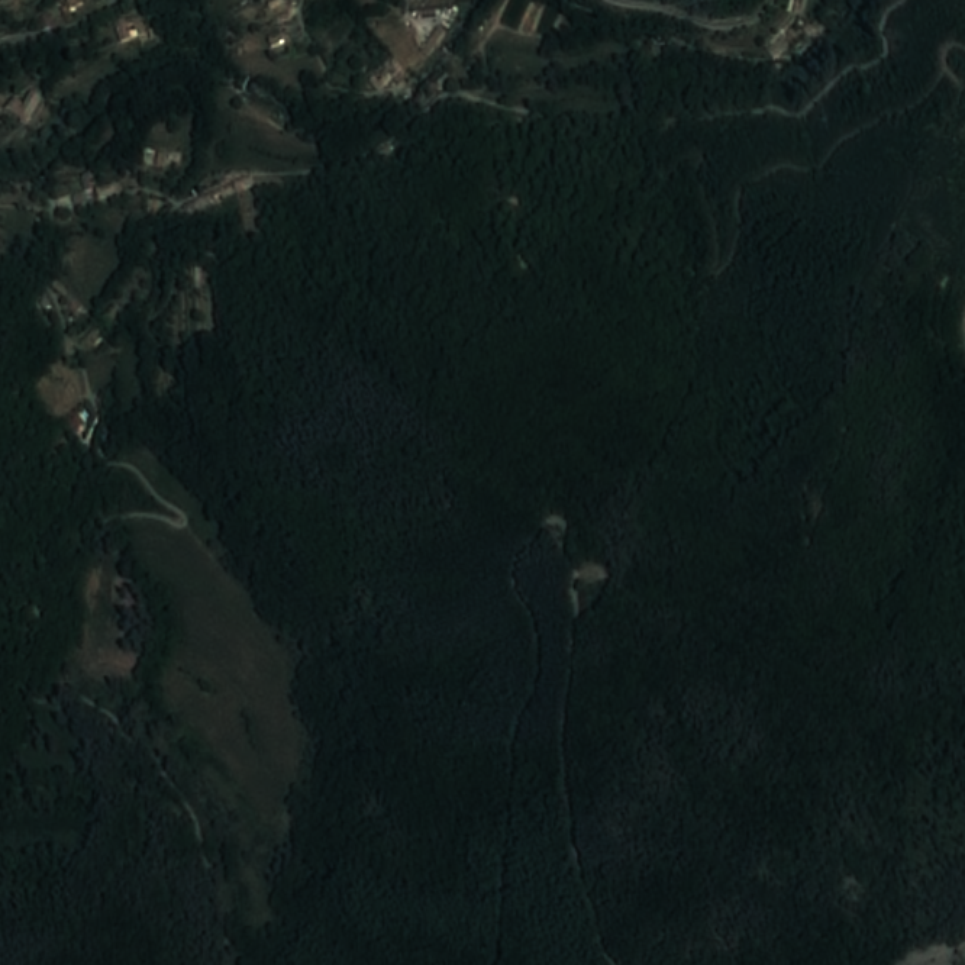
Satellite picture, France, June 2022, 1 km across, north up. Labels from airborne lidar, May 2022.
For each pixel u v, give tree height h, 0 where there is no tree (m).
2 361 14
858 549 15
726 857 7
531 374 18
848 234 11
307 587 18
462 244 15
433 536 16
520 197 12
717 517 26
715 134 9
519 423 18
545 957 19
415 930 17
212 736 0
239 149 0
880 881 9
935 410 17
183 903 23
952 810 11
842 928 11
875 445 12
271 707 0
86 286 0
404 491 21
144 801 17
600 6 7
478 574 15
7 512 19
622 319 17
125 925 19
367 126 19
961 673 15
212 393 17
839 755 14
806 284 12
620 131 14
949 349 12
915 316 18
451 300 15
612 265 12
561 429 10
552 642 16
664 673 14
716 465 25
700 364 8
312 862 28
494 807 18
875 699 12
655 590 18
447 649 17
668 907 10
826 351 13
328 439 21
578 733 14
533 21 0
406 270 17
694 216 8
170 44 12
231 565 7
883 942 9
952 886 13
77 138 19
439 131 14
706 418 21
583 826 16
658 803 7
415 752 17
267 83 12
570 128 13
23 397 11
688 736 13
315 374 17
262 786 0
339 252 14
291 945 18
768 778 15
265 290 12
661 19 10
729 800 13
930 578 21
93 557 12
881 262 12
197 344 11
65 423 16
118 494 15
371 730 18
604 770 11
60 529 17
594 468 12
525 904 20
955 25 8
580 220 12
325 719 25
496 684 19
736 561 18
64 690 20
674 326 17
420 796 21
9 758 24
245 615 0
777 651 15
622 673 15
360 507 18
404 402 19
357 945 21
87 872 19
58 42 26
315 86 13
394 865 15
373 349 11
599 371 14
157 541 0
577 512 11
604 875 15
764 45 9
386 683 28
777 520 15
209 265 10
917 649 15
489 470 17
